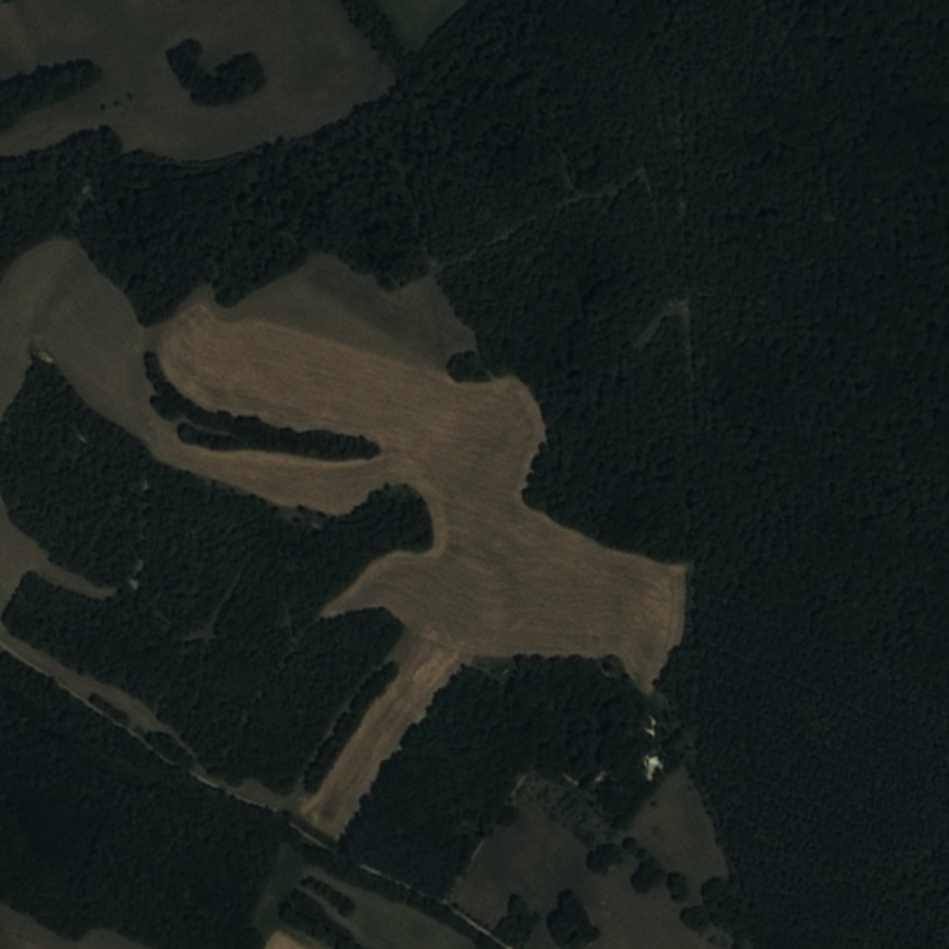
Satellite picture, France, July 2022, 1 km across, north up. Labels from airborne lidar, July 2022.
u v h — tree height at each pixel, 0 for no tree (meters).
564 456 20
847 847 13
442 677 0
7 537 0
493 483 0
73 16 0
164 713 13
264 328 0
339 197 21
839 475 18
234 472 0
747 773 10
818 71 21
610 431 16
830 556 17
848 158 16
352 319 0
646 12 23
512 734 19
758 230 25
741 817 12
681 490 15
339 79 0
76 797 18
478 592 0
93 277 0
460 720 16
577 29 19
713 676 10
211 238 16
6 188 13
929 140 28
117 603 10
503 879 0
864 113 21
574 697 17
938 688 15
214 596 15
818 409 17
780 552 18
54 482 13
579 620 0
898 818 9
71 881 11
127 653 13
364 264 16
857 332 17
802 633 14
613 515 26
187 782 16
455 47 15
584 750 25
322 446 11
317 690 10
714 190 12
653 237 8
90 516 14
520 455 0
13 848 23
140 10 0
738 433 23
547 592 0
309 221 17
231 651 12
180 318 0
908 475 15
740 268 13
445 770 15
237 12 0
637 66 16
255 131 0
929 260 22
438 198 15
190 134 0
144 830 20
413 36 0
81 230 14
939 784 18
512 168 20
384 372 0
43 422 9
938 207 22
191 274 19
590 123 17
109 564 13
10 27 0
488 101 20
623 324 8
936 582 21
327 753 14
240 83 17
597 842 6
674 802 0
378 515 7
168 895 20
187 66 15
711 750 14
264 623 13
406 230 21
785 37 23
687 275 9
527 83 20
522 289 17
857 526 24
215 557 14
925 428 19
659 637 0
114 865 15
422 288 0
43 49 0
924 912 12
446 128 19
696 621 13
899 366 13
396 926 0
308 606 7
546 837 0
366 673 13
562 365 18
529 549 0
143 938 15
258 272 12
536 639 0
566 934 20
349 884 11
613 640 0
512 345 15
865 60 21
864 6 19
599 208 10
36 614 8
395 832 23
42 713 7
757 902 9
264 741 14
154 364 9
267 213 19
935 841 15
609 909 0
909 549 17
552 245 13
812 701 12
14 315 0
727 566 18
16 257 15
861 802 11
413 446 0
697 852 0
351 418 0
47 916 16
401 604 0
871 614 14
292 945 0
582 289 7
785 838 10
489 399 0
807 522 17
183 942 18
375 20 12
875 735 10
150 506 12
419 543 17
